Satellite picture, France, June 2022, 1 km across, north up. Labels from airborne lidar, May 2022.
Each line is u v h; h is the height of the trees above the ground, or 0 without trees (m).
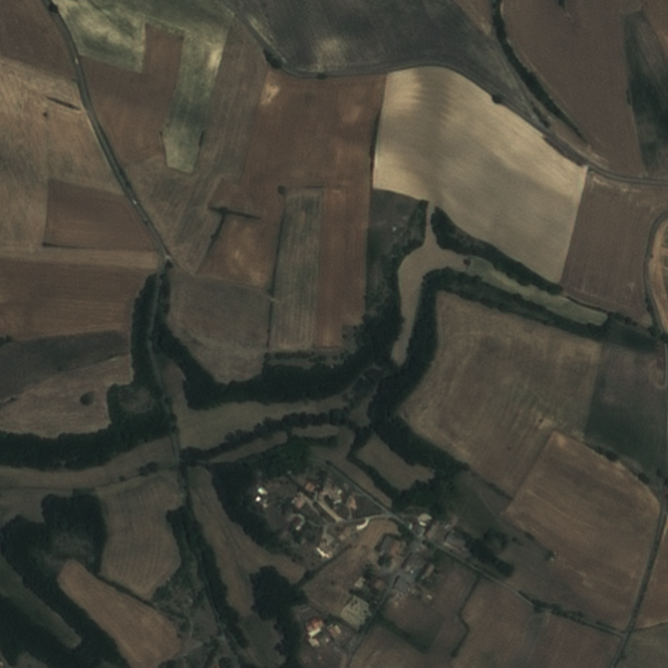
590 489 0
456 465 8
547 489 0
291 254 0
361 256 0
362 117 0
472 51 0
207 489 0
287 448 14
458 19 0
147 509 0
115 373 0
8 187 0
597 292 0
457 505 0
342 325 0
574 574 0
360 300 0
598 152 0
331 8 0
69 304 0
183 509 13
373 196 0
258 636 0
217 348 0
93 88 0
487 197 0
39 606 0
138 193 0
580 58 0
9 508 0
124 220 0
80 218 0
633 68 0
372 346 13
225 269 0
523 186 0
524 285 11
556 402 0
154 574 0
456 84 0
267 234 0
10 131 0
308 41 0
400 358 0
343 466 0
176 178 0
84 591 0
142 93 0
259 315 0
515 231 0
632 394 0
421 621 0
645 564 0
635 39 0
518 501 0
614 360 0
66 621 13
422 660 0
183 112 0
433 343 10
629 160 0
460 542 0
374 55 0
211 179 0
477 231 0
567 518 0
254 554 0
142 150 0
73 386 0
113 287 0
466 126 0
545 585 0
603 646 0
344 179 0
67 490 0
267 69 0
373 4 0
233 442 25
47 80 0
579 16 0
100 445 17
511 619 0
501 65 0
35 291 0
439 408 0
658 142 0
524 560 0
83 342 0
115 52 0
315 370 9
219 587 19
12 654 12
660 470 9
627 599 0
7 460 17
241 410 0
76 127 0
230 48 0
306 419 23
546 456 0
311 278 0
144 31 0
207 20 0
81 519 10
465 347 0
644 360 0
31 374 0
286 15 0
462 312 0
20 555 20
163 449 0
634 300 0
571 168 0
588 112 0
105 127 0
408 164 0
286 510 8
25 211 0
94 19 0
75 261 0
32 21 0
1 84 0
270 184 0
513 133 0
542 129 0
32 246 0
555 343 0
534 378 0
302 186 0
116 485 0
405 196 0
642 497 0
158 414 13
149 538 0
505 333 0
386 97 0
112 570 0
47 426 0
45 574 6
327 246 0
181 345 9
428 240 0
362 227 0
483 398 0
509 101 0
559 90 0
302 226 0
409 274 0
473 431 0
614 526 0
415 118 0
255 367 0
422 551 0
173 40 0
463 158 0
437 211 6
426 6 0
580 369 0
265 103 0
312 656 0
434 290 10
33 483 0
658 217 0
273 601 18
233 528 0
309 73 0
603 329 10
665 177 0
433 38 0
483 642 0
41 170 0
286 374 15
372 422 7
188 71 0
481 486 0
